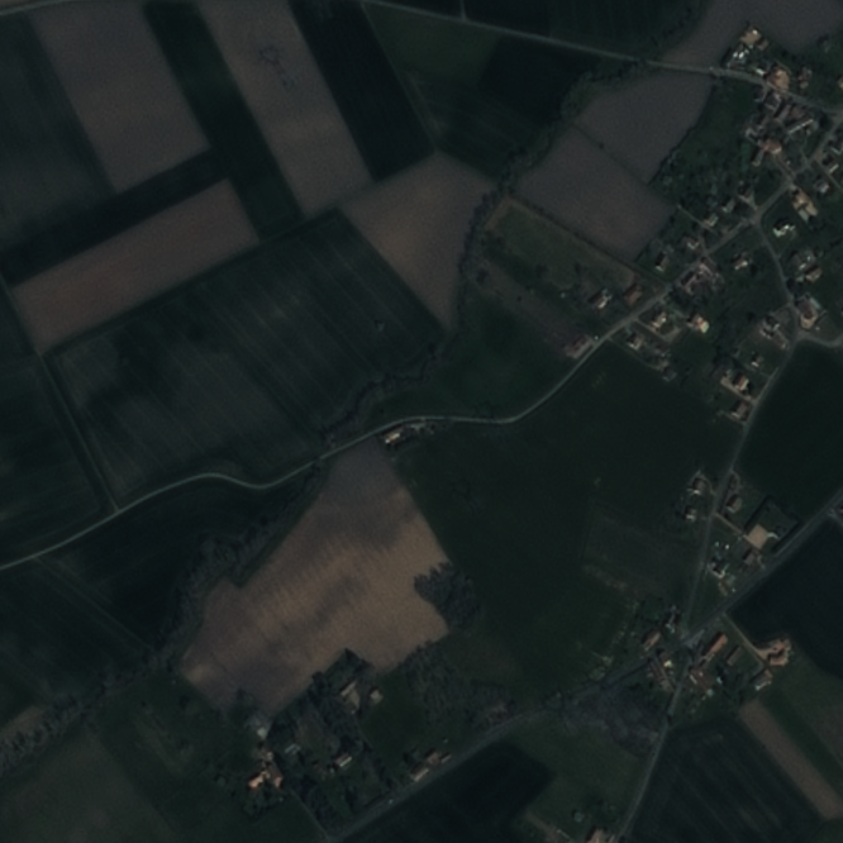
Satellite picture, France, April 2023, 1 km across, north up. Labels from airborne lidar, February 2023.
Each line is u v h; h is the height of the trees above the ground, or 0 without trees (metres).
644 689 6
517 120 0
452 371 0
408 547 0
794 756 0
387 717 0
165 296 0
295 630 0
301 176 0
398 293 0
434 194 0
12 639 0
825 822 0
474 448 0
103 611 0
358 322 0
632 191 0
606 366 0
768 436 0
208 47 0
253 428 0
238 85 0
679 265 0
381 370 0
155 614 0
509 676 0
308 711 19
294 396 0
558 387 0
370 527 0
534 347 0
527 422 0
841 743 0
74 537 0
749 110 0
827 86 0
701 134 0
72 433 0
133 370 0
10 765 28
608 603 0
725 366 8
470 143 0
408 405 0
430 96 0
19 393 0
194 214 0
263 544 23
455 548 0
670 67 0
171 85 0
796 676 0
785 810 0
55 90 0
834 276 0
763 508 6
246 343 0
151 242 0
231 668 0
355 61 0
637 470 0
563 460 0
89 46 0
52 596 0
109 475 0
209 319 0
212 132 0
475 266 21
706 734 0
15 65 0
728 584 0
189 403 0
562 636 0
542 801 0
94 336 0
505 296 0
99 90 0
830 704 0
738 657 0
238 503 0
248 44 0
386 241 0
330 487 0
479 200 0
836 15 0
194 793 0
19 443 0
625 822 0
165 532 0
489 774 0
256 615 0
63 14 0
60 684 0
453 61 0
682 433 0
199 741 0
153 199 0
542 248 0
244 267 0
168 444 0
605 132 0
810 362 0
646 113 0
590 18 0
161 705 0
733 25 0
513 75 0
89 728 10
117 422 0
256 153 0
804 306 0
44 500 0
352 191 0
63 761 0
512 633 0
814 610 0
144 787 0
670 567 0
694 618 0
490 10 0
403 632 0
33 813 0
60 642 0
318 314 0
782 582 0
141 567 0
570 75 0
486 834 0
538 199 0
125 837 0
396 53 0
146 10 0
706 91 0
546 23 0
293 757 9
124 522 0
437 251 0
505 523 0
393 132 0
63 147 0
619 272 0
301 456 0
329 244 0
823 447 0
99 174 0
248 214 0
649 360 5
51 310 0
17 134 0
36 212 0
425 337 0
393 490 0
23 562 0
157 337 0
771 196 0
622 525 0
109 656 0
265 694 0
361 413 14
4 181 0
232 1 0
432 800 0
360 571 0
